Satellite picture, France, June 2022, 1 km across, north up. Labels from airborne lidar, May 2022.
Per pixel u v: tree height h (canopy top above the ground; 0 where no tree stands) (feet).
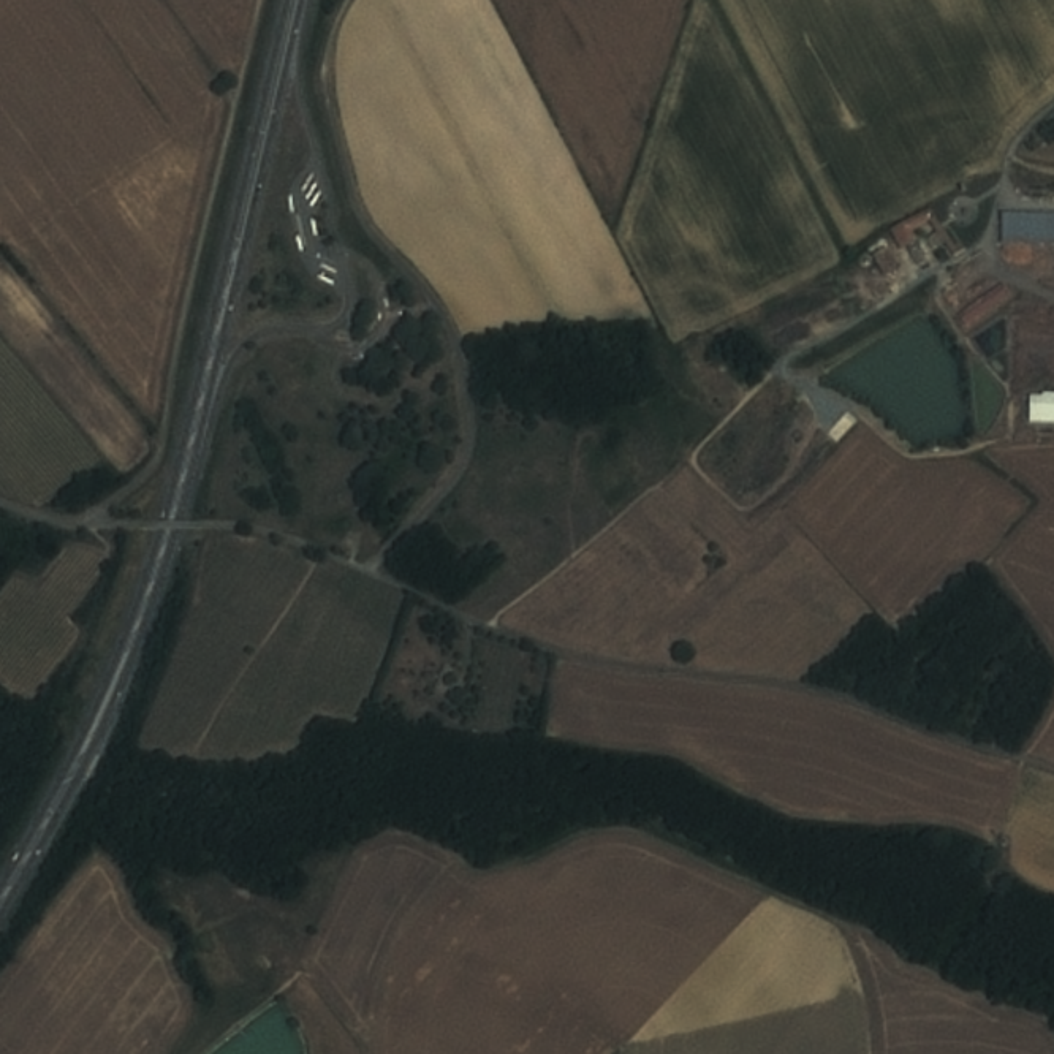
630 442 0
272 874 80
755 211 0
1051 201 0
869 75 0
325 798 70
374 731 48
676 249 0
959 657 63
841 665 33
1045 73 0
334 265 0
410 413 39
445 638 38
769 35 0
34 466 0
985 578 45
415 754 67
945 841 61
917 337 0
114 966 0
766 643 0
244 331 0
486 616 0
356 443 51
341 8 0
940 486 0
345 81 0
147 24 0
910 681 39
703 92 0
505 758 66
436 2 0
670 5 0
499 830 73
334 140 0
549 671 29
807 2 0
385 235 0
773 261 0
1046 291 0
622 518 0
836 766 0
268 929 0
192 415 0
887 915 80
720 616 0
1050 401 0
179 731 0
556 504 0
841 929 0
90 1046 0
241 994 0
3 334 0
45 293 0
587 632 0
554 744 46
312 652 0
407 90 0
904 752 0
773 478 0
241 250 0
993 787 0
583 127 0
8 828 44
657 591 0
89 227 0
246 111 0
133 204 0
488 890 0
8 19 0
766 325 0
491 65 0
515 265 0
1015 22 0
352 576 0
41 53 0
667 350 0
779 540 0
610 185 0
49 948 0
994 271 0
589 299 0
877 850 63
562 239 0
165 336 0
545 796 57
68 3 0
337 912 0
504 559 31
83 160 0
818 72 0
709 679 0
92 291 0
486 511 0
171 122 0
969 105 0
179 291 0
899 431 21
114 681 0
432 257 0
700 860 0
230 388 0
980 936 75
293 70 0
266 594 0
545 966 0
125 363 0
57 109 0
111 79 0
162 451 0
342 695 0
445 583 49
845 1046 0
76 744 0
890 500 0
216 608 0
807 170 0
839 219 0
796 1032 0
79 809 40
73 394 0
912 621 42
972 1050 0
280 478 35
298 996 0
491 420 20
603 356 64
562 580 0
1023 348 0
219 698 0
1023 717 42
